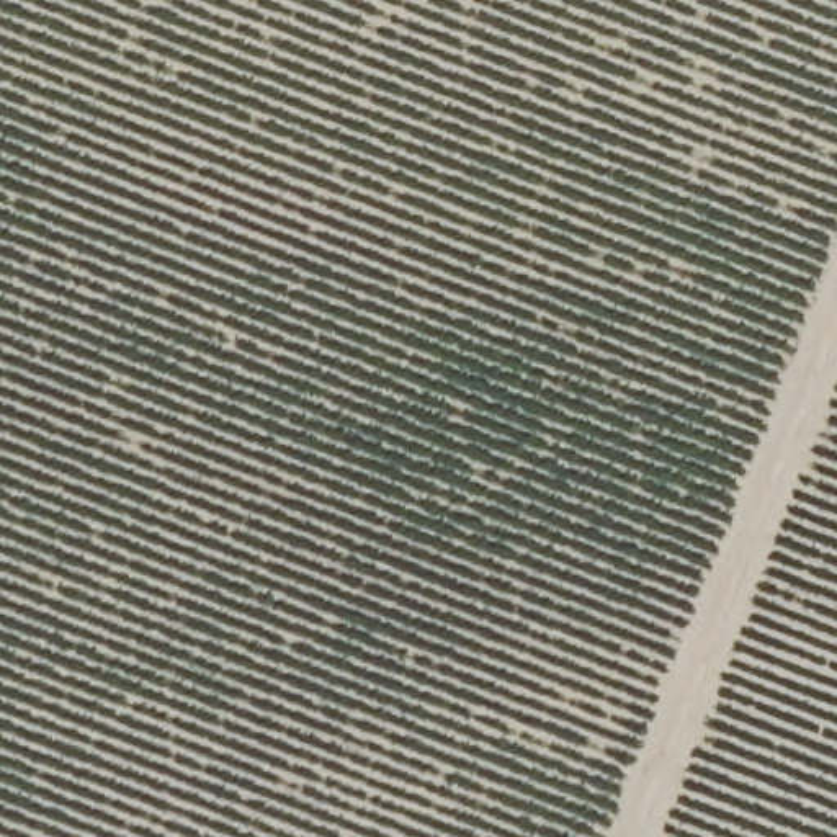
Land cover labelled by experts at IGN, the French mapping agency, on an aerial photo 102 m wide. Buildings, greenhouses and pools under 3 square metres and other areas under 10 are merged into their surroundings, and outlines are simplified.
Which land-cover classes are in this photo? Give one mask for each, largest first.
<instances>
[{"label":"vineyard","instance_id":"1","mask_svg":"<svg viewBox=\"0 0 837 837\"><path fill-rule=\"evenodd\" d=\"M837 232V0H0V837H608V824L618 811L624 768L638 759L644 732L654 719L657 680L674 660L670 638L677 634V628H687L703 572L709 569L716 546L732 520L736 481L752 461V451L765 432L775 383L781 376L785 360L794 353V337L801 330L808 307V291H814V284L821 281L830 235ZM706 739L690 755V768L680 798L667 814L664 837H837V389L830 399V419L814 445V464L808 468V474L794 481V497L778 526L768 569L755 585L752 615L729 651V667L719 680L716 716L706 719Z\"/></svg>","mask_w":837,"mask_h":837},{"label":"pervious surface","instance_id":"2","mask_svg":"<svg viewBox=\"0 0 837 837\"><path fill-rule=\"evenodd\" d=\"M837 389V232L830 235L821 281L814 284V291H808V307L801 330L794 337V353L785 360L781 376L775 383L765 432L752 451V461L736 481L732 520L716 546L709 569L703 572L687 628H677V634L670 638L674 660L657 680L654 719L644 732L638 759L624 768L618 811L608 824V837H664L667 814L680 798L690 768V755L706 739V719L716 716L719 680L729 667V651L752 615L755 585L768 569L778 526L794 497V481L808 474V468L814 464V445L830 419V399Z\"/></svg>","mask_w":837,"mask_h":837}]
</instances>
